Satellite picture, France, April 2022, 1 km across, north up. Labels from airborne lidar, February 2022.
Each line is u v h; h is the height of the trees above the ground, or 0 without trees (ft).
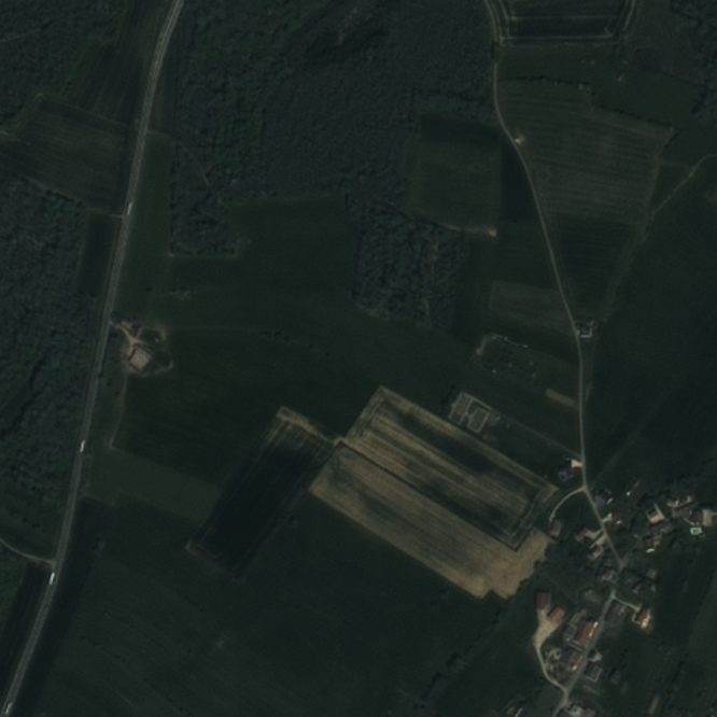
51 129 0
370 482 0
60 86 61
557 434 0
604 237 0
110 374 0
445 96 71
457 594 0
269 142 65
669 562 21
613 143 0
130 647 0
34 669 0
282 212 0
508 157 0
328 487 0
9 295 94
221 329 0
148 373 0
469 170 0
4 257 94
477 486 0
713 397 0
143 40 0
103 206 0
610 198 0
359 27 0
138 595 0
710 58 28
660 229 0
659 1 0
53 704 0
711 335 0
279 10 84
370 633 0
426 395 0
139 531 0
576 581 0
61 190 0
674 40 0
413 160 0
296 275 0
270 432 0
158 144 0
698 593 0
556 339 0
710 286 0
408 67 66
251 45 80
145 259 0
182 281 0
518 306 0
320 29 0
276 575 0
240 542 0
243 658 0
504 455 0
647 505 54
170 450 0
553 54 0
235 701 0
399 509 0
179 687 0
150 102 0
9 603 60
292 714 0
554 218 0
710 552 0
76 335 89
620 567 0
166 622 0
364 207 53
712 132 0
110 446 0
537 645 0
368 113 56
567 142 0
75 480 0
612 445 0
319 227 0
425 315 35
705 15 98
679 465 0
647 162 0
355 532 0
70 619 0
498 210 0
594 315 0
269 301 0
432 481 0
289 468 0
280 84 54
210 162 63
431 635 0
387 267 83
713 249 0
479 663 0
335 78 54
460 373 0
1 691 0
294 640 0
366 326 0
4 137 0
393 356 0
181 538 0
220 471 0
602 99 0
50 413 58
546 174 0
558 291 0
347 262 0
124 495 0
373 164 63
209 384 0
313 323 0
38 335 73
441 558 0
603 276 0
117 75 0
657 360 0
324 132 63
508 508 0
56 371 64
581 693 0
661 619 0
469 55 53
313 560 0
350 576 0
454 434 0
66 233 61
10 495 23
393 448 0
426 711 51
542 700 0
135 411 0
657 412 0
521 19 0
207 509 0
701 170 0
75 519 0
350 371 0
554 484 0
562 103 0
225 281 0
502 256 0
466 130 0
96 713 0
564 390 0
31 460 48
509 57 0
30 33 58
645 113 0
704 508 20
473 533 0
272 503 0
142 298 0
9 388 67
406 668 0
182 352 0
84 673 0
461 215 0
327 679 0
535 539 0
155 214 0
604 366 0
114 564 0
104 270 0
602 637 0
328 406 0
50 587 0
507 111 0
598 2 0
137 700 0
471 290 0
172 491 0
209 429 0
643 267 0
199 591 0
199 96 70
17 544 0
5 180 0
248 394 0
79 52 65
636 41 0
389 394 0
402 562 0
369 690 0
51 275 87
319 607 0
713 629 0
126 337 0
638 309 0
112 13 49
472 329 0
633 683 0
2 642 0
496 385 0
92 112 0
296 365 0
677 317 0
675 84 0
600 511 0
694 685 0
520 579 0
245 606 0
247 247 0
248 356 0
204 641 0
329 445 0
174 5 0
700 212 0
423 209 0
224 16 102
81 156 0
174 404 0
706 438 0
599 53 0
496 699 0
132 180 0
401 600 0
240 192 68
